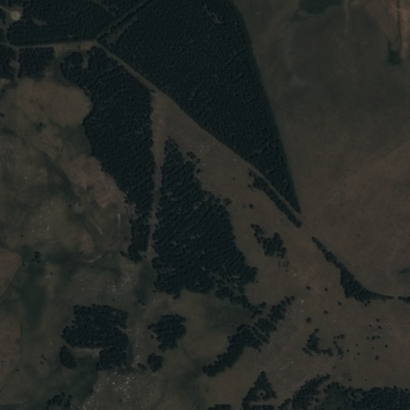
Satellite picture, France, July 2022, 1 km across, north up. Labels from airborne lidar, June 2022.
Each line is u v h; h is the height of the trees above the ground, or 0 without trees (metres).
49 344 0
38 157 0
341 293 0
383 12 0
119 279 0
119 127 16
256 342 13
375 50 0
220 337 0
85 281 0
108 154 21
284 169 19
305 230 0
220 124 14
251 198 0
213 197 12
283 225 0
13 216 0
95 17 19
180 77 17
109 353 19
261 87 18
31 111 0
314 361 0
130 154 21
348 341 0
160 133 0
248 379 0
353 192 0
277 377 0
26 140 0
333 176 0
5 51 22
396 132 0
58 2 21
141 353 0
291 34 0
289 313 0
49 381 0
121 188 17
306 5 0
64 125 0
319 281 0
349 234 0
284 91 0
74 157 0
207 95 13
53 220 0
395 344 0
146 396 0
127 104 14
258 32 0
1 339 0
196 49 17
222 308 0
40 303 0
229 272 19
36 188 0
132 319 0
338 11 0
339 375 0
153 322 0
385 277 0
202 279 19
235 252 14
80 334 18
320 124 0
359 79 0
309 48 0
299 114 0
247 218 0
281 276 0
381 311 0
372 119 0
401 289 0
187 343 0
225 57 18
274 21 0
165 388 0
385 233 0
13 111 0
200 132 0
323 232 0
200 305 0
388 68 0
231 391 0
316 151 0
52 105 0
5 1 17
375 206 0
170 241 18
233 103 18
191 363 0
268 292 0
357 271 0
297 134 0
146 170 24
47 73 0
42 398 0
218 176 0
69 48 0
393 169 0
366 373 0
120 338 17
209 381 0
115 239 0
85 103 0
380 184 0
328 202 0
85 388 0
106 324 18
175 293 16
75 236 0
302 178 0
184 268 20
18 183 0
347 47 0
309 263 0
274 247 13
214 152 0
